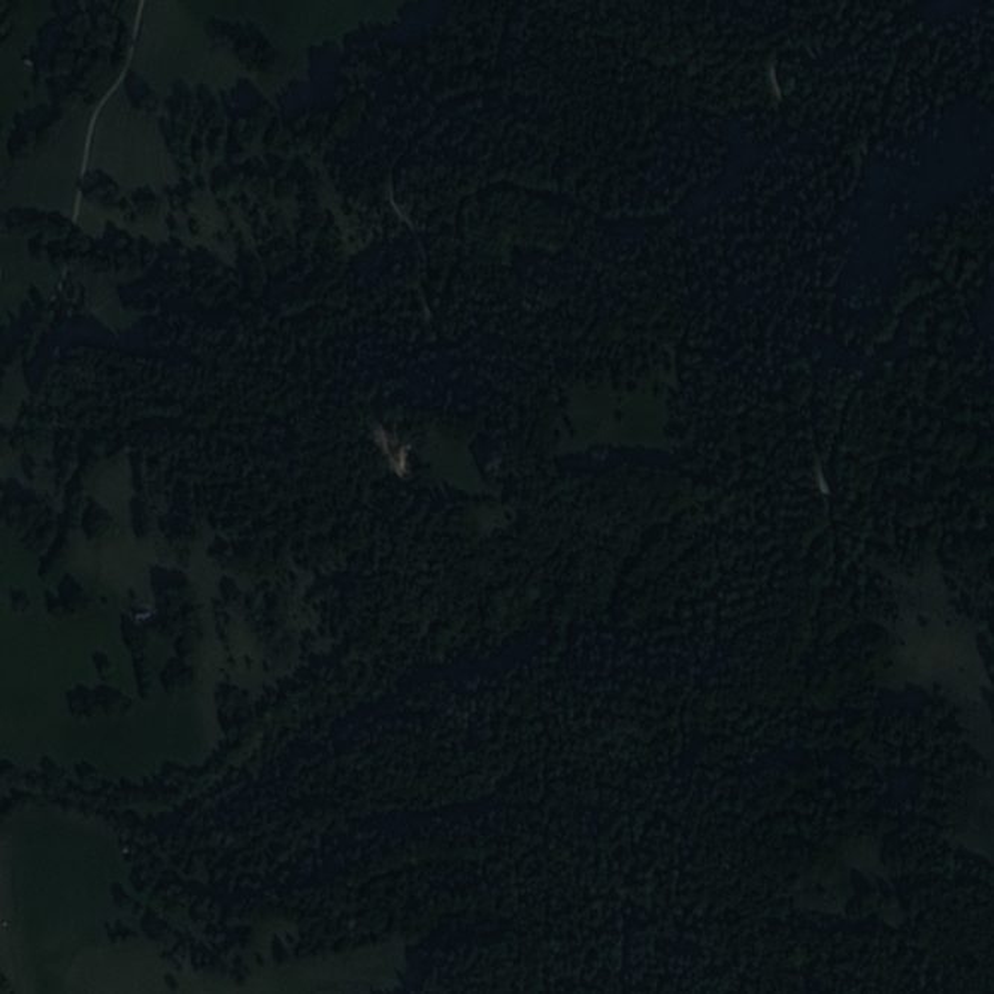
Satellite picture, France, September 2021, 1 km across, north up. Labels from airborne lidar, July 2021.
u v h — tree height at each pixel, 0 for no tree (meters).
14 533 13
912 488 20
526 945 26
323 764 24
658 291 32
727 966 20
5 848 0
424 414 26
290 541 20
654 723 18
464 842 26
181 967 11
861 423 19
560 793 30
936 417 9
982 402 19
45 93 0
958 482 6
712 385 21
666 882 23
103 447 17
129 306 14
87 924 0
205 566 0
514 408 23
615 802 28
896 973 19
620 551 29
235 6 0
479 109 29
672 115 18
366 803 19
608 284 24
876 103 20
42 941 0
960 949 19
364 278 23
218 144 15
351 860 35
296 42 0
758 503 22
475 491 0
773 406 25
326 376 24
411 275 29
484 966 29
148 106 22
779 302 29
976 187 24
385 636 14
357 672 7
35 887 0
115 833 19
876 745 8
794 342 25
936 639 0
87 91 14
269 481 20
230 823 22
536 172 31
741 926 23
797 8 20
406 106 21
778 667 20
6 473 0
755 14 23
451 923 18
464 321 20
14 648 0
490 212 21
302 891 25
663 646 27
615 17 21
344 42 0
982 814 0
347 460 18
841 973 22
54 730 0
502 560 10
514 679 27
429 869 17
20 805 19
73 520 15
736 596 20
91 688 0
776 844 18
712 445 16
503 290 30
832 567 8
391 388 29
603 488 24
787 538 24
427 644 13
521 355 24
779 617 21
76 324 0
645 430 0
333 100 28
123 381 17
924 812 20
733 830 22
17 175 0
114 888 0
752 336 23
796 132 12
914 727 22
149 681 18
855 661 17
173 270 23
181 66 0
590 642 31
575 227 26
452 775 20
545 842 16
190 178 13
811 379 15
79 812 20
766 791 25
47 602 0
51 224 15
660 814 11
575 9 24
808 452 20
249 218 7
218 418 19
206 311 17
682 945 7
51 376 22
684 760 15
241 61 19
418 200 19
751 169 16
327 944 14
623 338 15
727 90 23
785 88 21
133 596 8
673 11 30
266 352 32
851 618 8
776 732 14
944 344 9
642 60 21
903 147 7
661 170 16
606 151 27
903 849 23
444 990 21
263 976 0
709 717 18
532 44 27
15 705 0
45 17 0
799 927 14
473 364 25
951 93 21
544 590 15
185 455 23
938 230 28
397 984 0
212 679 0
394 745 28
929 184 26
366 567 14
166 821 0
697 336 22
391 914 28
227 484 12
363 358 25
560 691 24
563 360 15
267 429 19
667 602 23
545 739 21
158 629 15
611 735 25
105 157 0
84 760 0
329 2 0
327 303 34
